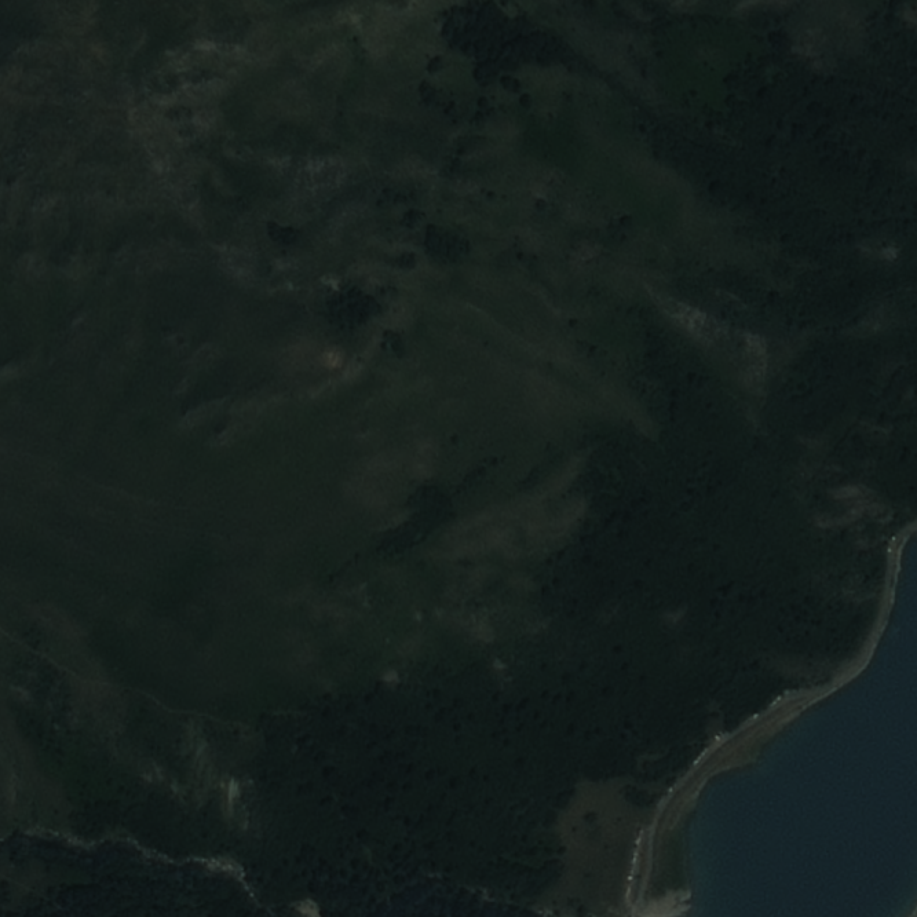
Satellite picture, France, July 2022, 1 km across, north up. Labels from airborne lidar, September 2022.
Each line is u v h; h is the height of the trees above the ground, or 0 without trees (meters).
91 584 0
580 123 0
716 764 0
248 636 0
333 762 7
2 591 0
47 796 0
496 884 11
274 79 0
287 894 10
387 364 0
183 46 0
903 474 6
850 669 0
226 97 0
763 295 6
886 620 0
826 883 0
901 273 7
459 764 8
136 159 0
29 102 0
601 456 7
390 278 0
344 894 19
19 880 0
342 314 8
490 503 0
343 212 0
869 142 9
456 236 9
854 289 11
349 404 0
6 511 0
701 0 0
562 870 7
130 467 0
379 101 0
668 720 8
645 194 0
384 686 15
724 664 11
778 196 6
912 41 9
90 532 0
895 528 10
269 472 0
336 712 6
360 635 0
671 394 6
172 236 0
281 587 0
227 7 0
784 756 0
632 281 0
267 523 0
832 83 10
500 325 0
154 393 0
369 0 0
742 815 0
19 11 0
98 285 0
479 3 12
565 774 9
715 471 8
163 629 0
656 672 9
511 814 11
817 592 7
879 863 0
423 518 7
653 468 6
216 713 0
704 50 0
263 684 0
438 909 24
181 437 0
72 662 0
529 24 14
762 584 8
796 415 7
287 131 0
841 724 0
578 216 0
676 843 0
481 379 0
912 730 0
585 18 0
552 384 0
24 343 0
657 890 0
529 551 0
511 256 0
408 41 0
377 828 10
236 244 0
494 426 0
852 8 0
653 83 0
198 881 17
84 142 0
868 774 0
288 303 0
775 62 6
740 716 7
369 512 0
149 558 0
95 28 0
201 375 0
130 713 0
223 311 0
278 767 7
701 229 0
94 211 0
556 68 0
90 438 0
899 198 12
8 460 0
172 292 0
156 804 9
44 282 0
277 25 0
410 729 18
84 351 0
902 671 0
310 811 9
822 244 7
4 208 0
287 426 0
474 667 6
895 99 7
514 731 7
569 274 0
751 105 7
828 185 7
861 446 16
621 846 0
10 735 0
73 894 16
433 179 0
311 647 0
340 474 0
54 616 0
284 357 0
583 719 8
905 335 10
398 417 0
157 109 0
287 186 0
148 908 6
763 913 0
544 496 0
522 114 0
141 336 0
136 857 18
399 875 11
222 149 0
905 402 10
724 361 0
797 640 8
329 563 0
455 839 18
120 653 0
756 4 0
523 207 0
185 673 0
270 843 7
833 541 7
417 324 0
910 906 0
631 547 8
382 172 0
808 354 6
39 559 0
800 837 0
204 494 0
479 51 17
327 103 0
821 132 19
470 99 0
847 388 10
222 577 0
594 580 8
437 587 0
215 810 7
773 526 6
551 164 0
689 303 0
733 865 0
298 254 0
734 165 7
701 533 7
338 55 0
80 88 0
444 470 0
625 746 10
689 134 8
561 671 8
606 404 0
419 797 9
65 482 0
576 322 12
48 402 0
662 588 9
